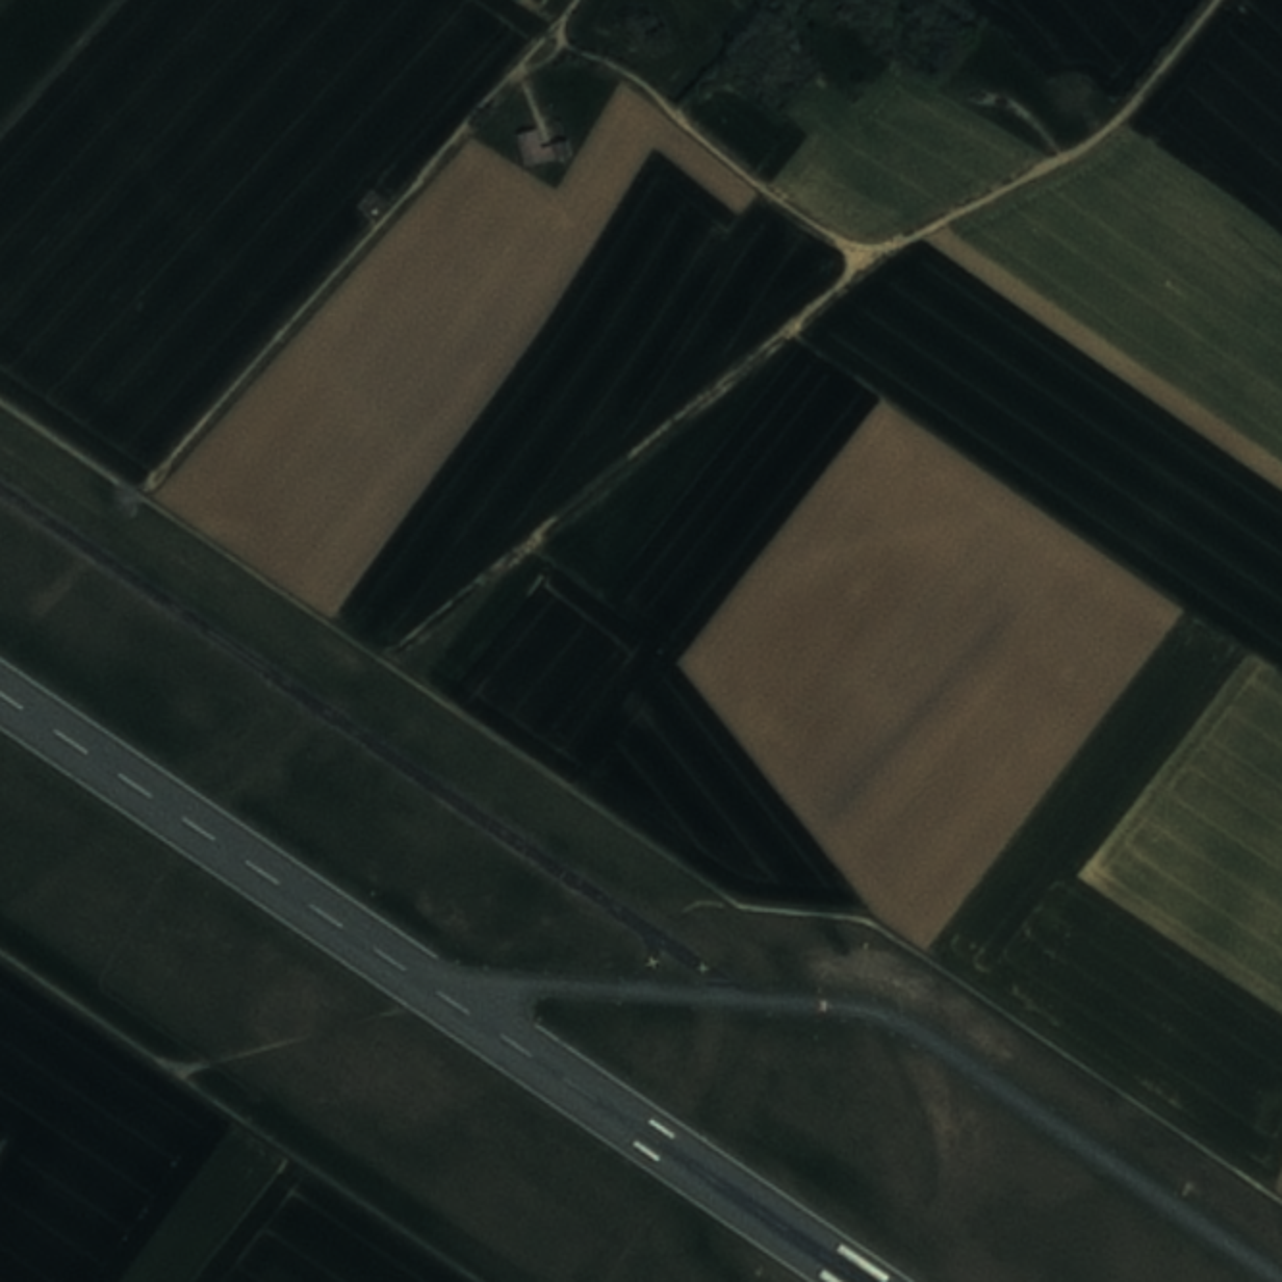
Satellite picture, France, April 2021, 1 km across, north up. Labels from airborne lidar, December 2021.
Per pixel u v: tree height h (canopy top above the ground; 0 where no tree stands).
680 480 0
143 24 0
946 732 0
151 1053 0
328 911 0
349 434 0
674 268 0
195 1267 0
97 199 0
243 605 0
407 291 0
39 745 0
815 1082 0
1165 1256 0
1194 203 0
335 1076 0
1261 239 0
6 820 0
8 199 0
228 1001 0
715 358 0
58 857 0
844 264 0
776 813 0
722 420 0
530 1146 0
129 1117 0
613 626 0
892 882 0
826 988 0
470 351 0
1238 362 0
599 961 0
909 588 0
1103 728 0
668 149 0
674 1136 0
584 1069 0
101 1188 0
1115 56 0
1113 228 0
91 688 0
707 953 0
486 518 0
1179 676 0
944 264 0
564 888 0
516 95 0
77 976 0
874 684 0
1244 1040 0
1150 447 0
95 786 0
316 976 0
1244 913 0
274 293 0
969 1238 0
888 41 22
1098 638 0
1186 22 8
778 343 0
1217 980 0
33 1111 0
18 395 0
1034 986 0
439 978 0
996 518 0
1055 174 0
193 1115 0
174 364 0
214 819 0
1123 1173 0
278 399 0
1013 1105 0
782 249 0
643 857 0
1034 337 0
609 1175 0
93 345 0
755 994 0
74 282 0
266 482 0
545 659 0
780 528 0
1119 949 0
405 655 0
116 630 0
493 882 0
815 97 0
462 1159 0
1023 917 0
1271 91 0
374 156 0
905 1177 0
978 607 0
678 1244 0
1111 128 0
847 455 0
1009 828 0
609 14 0
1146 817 0
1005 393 0
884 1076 0
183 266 0
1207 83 0
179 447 0
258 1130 0
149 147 0
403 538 0
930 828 0
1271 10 0
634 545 0
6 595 0
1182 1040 0
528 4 0
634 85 0
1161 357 0
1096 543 0
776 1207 0
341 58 0
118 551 0
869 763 0
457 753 0
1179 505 0
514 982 0
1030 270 0
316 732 0
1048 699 0
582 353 0
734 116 0
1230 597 0
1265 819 0
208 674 0
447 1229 0
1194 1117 0
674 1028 0
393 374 0
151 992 0
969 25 19
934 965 0
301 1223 0
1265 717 0
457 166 0
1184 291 0
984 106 0
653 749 0
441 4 0
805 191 0
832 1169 0
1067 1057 0
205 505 0
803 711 0
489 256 0
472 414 0
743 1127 0
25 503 0
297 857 0
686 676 0
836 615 0
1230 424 0
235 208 0
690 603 0
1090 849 0
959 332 0
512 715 0
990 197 0
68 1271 0
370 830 0
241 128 0
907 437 0
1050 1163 0
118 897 0
